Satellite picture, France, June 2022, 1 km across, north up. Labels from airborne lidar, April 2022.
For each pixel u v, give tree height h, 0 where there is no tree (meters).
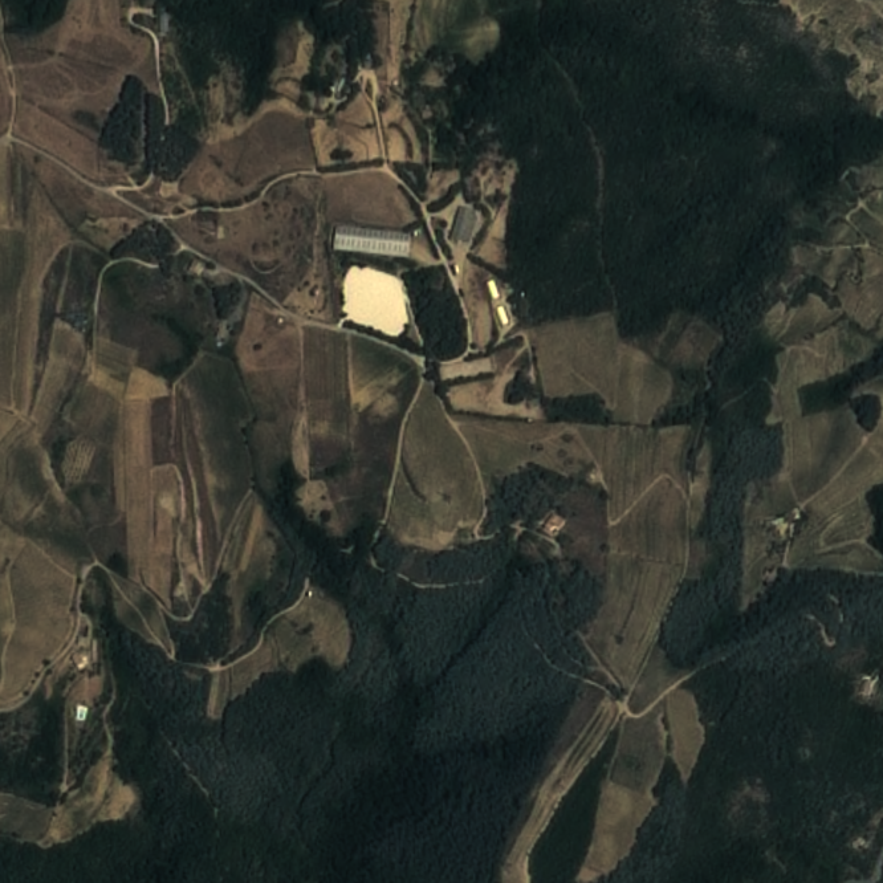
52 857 10
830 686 7
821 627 11
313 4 9
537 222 7
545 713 22
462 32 0
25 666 0
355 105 0
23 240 0
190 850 9
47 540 0
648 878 14
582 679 9
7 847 5
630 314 9
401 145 0
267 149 0
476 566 10
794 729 7
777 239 13
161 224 9
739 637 18
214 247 0
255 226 0
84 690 0
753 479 12
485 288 0
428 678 13
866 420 15
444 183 0
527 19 7
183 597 0
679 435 0
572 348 0
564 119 7
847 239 0
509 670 12
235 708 17
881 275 0
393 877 12
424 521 0
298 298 0
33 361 0
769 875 7
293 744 17
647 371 0
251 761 10
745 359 10
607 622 0
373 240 0
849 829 11
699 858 8
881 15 0
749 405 8
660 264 7
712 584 13
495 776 19
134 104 17
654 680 0
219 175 0
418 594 13
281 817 15
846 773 8
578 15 14
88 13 0
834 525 0
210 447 0
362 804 24
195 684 10
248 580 0
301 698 10
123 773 12
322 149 0
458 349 12
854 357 0
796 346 0
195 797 7
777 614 18
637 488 0
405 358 0
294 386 0
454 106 9
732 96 7
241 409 0
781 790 8
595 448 0
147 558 0
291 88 0
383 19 0
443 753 16
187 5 10
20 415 0
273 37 7
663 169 7
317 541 11
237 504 0
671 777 8
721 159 8
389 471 0
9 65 0
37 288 0
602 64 9
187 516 0
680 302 6
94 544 0
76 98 0
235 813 9
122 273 0
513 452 0
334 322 0
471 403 0
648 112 11
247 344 0
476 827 18
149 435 0
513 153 6
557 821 7
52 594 0
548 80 9
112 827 7
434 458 0
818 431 0
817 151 12
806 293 6
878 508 7
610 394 0
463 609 11
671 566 0
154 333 0
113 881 11
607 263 7
